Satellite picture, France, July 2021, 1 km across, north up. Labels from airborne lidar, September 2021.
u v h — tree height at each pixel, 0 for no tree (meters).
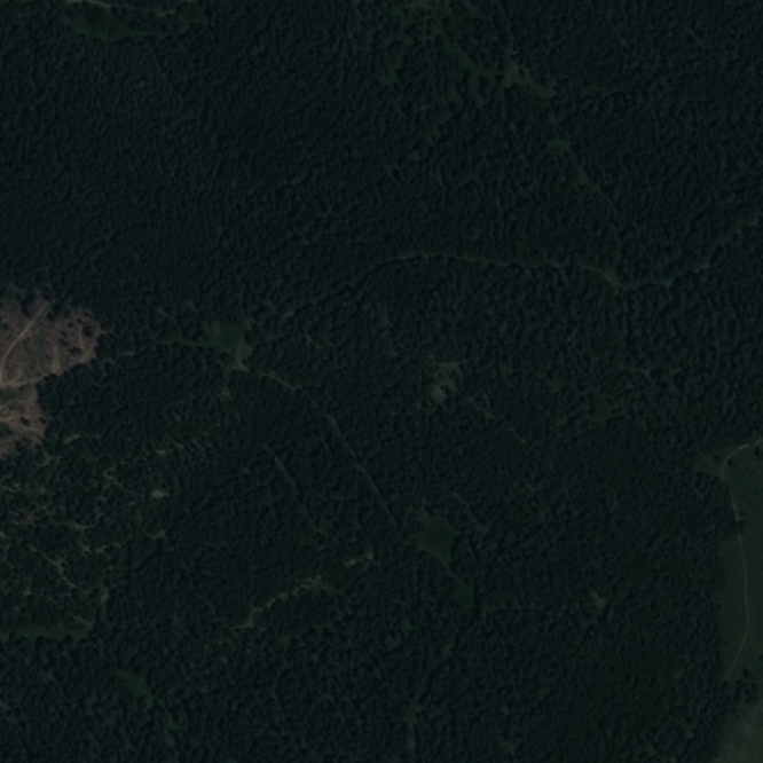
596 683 18
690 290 20
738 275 18
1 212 23
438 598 27
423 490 21
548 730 20
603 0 23
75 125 26
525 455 17
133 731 26
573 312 33
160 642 10
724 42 23
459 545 18
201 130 21
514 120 25
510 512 16
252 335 16
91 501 12
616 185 21
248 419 14
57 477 13
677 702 16
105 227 25
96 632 17
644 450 16
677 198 20
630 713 18
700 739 17
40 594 16
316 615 23
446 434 24
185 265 23
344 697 22
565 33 19
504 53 18
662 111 18
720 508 15
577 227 23
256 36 17
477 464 17
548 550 18
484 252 24
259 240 17
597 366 18
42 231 23
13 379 0
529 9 28
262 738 10
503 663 18
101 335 0
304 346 20
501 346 10
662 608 17
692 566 13
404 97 23
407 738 23
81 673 24
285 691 19
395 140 29
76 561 13
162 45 20
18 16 13
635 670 16
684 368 20
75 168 24
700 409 18
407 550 14
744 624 0
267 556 18
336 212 16
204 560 18
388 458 22
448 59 26
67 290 17
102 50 27
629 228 20
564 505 20
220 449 28
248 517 16
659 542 21
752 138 23
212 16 22
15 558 16
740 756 0
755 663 0
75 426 19
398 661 23
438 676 20
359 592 22
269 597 18
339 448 24
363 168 20
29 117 23
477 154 26
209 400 22
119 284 21
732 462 9
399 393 21
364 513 17
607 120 16
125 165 29
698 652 16
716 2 23
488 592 22
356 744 18
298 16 18
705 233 19
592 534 18
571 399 12
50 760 21
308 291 26
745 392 14
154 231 25
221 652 16
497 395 18
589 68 20
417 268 15
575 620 27
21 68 29
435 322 25
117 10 20
